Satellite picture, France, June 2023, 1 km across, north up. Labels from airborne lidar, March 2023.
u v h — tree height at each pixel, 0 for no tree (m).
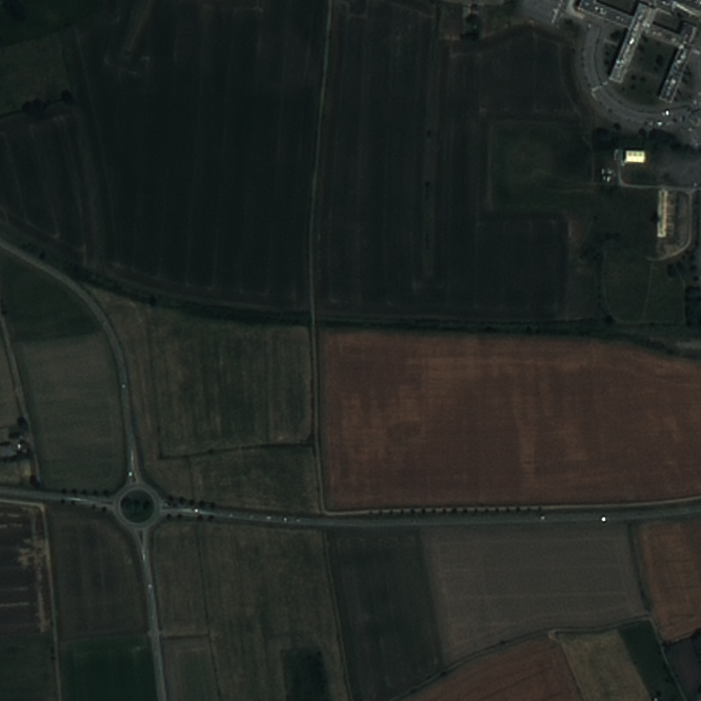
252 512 0
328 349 0
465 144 0
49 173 0
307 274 0
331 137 0
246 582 0
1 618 0
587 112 0
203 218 0
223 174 0
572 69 0
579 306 0
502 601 0
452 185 0
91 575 0
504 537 0
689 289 9
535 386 0
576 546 0
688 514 0
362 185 0
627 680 0
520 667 0
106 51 0
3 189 0
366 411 0
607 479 0
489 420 0
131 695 0
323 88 0
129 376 0
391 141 0
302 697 0
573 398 0
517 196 0
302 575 0
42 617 0
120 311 0
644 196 0
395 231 0
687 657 0
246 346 0
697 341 0
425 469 0
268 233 0
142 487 0
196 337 0
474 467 0
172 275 0
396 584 0
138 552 0
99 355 0
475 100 0
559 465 0
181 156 0
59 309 0
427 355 0
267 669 0
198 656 0
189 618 0
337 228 0
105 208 0
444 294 0
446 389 0
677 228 0
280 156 0
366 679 0
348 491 0
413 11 0
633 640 0
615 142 7
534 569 0
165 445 0
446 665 0
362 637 0
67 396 0
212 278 0
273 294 0
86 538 0
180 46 0
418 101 0
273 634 0
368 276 0
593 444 0
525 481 0
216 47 0
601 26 0
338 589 0
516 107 0
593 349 0
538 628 0
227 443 0
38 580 0
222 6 0
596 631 0
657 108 0
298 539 0
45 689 0
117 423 0
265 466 0
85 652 0
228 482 0
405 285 0
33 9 0
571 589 0
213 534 0
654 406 0
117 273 0
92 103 0
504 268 0
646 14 0
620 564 0
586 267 0
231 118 0
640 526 0
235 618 0
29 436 0
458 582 0
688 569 0
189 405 0
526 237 0
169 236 0
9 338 0
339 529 0
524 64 0
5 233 0
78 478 0
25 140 0
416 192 0
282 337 0
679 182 0
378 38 0
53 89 0
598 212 0
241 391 0
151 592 0
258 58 0
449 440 0
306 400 0
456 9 0
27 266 0
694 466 0
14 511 0
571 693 0
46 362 0
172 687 0
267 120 0
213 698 0
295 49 0
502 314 0
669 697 0
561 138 0
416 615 0
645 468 0
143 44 0
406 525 0
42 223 0
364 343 0
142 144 0
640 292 0
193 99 0
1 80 0
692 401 0
